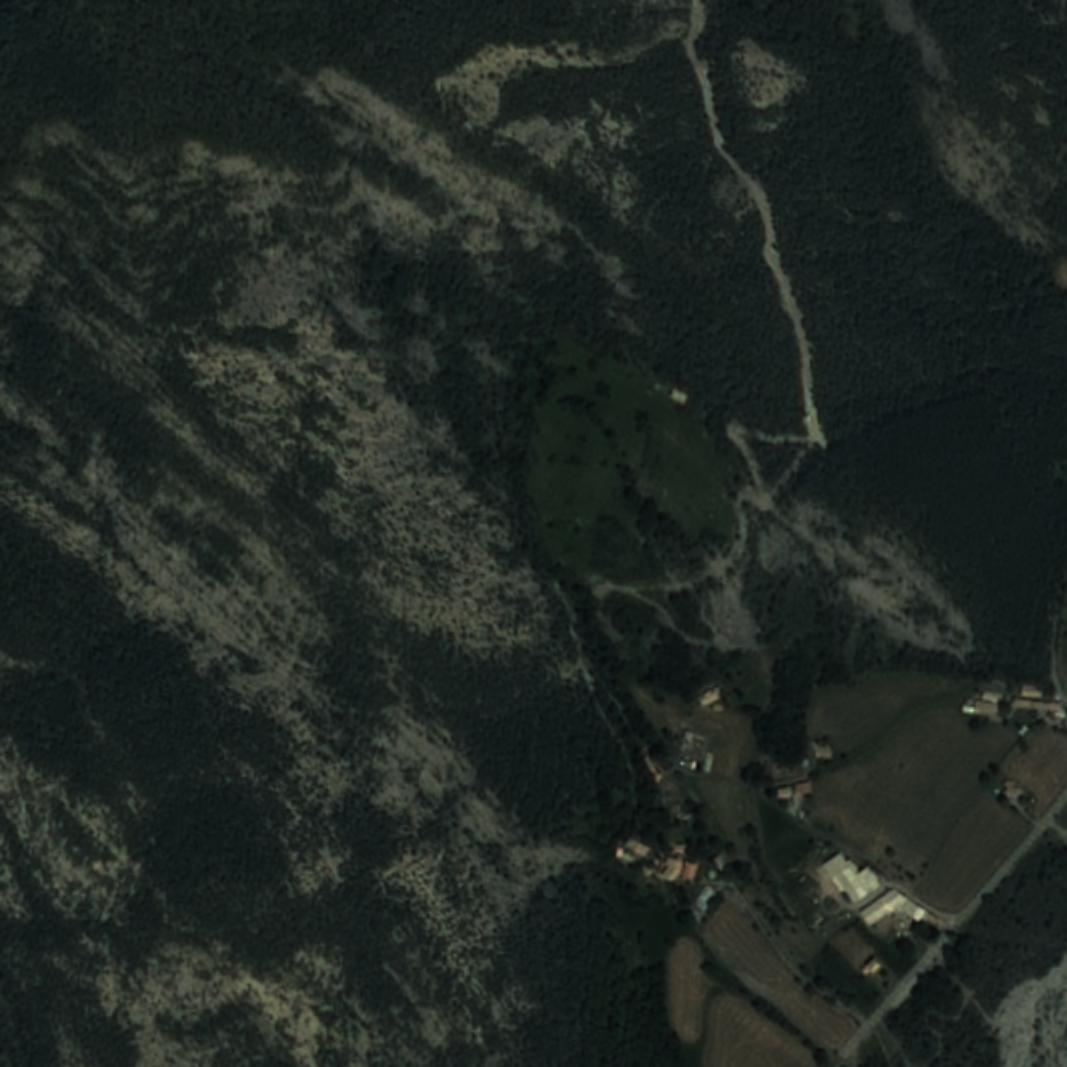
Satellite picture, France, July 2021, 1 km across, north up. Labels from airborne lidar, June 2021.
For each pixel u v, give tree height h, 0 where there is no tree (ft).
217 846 35
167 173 22
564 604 22
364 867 23
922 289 23
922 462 57
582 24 29
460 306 28
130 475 22
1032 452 42
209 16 42
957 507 61
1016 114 18
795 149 33
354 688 20
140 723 26
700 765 34
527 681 30
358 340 36
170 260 27
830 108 36
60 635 25
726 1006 0
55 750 23
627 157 20
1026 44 31
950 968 31
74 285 24
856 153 25
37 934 17
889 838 0
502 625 23
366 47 25
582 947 30
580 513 0
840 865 0
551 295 52
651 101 26
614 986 30
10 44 23
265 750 20
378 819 23
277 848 27
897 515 36
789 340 31
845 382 29
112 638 30
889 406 38
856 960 0
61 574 28
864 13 34
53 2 24
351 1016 20
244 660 21
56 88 28
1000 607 58
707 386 19
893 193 35
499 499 24
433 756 0
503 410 25
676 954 0
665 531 40
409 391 34
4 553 30
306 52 29
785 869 0
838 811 0
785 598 39
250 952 20
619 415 0
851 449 56
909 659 51
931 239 29
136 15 29
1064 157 23
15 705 26
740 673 22
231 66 22
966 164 0
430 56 21
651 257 19
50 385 26
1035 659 31
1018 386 46
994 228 35
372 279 35
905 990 0
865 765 0
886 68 47
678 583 0
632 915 0
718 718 0
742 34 33
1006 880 22
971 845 0
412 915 20
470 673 20
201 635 18
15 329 27
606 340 28
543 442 0
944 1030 30
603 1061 36
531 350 47
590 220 25
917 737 0
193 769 21
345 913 19
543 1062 27
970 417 51
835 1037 0
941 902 0
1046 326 34
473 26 28
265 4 26
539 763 34
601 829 30
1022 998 0
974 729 28
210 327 22
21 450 19
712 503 0
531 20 24
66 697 31
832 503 27
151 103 29
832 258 28
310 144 22
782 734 33
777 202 25
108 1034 22
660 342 18
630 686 0
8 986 21
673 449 0
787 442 35
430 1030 0
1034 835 0
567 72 32
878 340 28
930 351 37
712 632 26
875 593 0
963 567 45
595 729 39
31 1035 20
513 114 22
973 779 0
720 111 35
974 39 32
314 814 22
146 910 19
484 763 19
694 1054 0
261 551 0
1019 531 62
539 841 18
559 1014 25
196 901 17
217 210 20
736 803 0
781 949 0
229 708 26
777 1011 20
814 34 44
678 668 46
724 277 22
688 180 33
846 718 0
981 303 31
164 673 31
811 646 34
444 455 25
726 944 0
